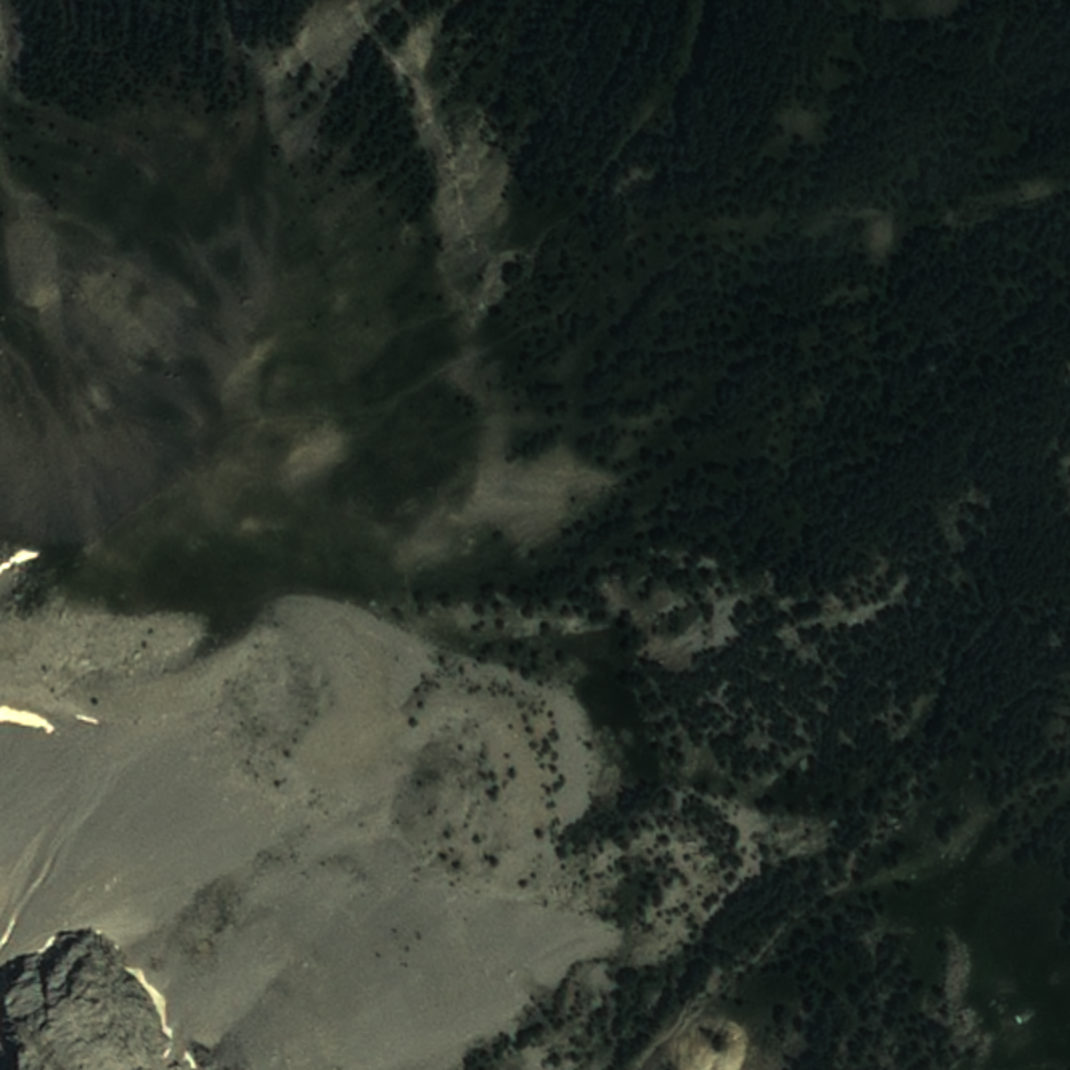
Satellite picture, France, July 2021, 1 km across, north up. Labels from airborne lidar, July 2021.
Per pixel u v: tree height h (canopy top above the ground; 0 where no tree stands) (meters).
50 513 0
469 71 6
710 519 21
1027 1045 0
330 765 0
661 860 11
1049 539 21
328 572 0
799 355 19
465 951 0
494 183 0
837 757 16
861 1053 16
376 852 0
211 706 0
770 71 20
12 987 0
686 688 15
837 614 0
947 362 21
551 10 14
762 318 25
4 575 0
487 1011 0
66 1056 0
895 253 0
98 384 0
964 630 17
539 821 0
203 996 0
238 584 0
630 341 19
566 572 17
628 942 0
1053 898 0
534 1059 0
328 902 0
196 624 0
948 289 25
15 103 0
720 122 21
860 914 15
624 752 0
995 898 0
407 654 0
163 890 0
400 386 0
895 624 17
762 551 19
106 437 0
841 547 18
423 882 0
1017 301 21
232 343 0
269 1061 0
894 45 19
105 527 0
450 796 0
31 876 0
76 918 0
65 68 6
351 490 0
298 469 0
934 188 24
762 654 15
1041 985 0
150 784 0
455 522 0
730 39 23
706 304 16
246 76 10
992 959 0
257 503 0
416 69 0
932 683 15
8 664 0
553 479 0
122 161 0
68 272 0
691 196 19
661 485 0
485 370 0
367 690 0
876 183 23
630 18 22
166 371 0
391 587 0
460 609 0
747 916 17
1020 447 19
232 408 0
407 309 0
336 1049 0
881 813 18
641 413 13
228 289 0
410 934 0
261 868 0
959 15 10
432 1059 0
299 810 0
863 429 23
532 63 19
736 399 21
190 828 0
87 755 0
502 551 0
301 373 0
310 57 0
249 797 0
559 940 0
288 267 0
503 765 0
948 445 20
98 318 0
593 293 0
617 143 19
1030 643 18
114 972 0
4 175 0
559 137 22
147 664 0
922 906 0
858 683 21
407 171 13
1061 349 20
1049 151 26
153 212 0
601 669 0
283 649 0
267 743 0
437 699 0
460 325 0
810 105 16
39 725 0
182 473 0
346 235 0
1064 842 14
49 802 0
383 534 0
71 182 0
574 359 0
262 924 0
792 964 17
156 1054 0
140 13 12
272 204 0
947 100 22
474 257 0
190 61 11
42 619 0
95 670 0
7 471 0
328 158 7
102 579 0
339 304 0
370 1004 0
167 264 0
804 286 21
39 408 0
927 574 15
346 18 0
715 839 12
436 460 0
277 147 6
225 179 0
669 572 11
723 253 13
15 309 0
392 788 0
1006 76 23
